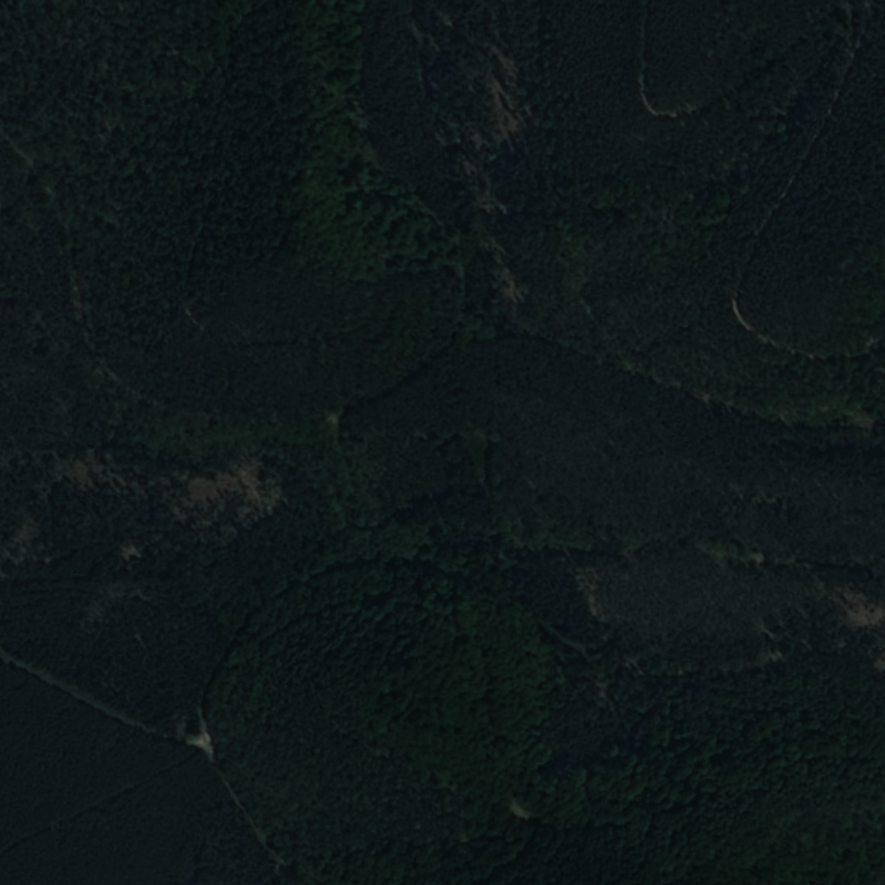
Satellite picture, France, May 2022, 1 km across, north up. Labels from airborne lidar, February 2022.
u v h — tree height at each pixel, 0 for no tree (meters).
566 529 27
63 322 26
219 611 18
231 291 17
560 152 25
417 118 34
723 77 23
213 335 20
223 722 28
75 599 20
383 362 21
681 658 29
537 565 23
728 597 25
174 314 21
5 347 22
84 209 32
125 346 24
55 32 32
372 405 28
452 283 33
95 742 14
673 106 14
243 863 25
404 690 19
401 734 22
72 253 30
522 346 33
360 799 28
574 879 28
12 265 25
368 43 26
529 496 27
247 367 27
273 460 26
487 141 31
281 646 23
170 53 29
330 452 18
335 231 32
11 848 15
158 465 33
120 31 31
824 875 32
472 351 26
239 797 15
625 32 17
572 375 28
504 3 27
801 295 13
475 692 29
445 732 22
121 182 6
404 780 27
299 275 15
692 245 28
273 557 25
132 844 18
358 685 24
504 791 22
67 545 12
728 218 29
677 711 29
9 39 23
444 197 26
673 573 24
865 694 30
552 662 6
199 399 30
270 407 28
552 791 39
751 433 31
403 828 29
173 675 25
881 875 33
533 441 26
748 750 31
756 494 22
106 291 29
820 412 30
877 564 27
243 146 26
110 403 23
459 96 30
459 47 29
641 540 22
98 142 20
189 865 19
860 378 21
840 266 24
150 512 32
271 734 27
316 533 21
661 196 28
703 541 22
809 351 15
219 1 25
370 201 35
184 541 22
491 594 27
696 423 27
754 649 28
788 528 27
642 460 27
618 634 27
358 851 33
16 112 11
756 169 27
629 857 30
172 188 30
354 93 36
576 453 27
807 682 30
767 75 29
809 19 24
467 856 28
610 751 32
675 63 15
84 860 17
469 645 29
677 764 37
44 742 15
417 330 25
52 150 30
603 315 22
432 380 24
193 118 31
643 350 22
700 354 24
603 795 37
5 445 28
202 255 15
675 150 27
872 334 25
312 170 31
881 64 24
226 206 28
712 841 25
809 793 26
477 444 0
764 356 22
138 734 18
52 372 29
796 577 27
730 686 34
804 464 26
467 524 29
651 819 36
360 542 26
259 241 22
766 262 22
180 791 18
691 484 24
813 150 11
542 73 28
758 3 24
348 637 33
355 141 14
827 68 26
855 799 11
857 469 27
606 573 25
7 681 15
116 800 17
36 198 32
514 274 28
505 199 33
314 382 27
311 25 24
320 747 25
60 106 31
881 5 23
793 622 29
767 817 18
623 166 23
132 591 22
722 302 21
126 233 24
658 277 25
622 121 14
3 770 18
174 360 25
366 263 29
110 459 27
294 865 28
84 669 19
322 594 29
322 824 28
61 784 19
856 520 26
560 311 30
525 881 31
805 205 25
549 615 26
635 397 26
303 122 24
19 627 21
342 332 19
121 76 28
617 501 26
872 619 28
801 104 8
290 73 24
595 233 30
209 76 33
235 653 26
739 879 32
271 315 24
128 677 21
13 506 29
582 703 10
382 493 17
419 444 11
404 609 35
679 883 26
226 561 26
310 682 21
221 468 27
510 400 26
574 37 26
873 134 25
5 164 30
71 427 31
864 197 21
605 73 17
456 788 24
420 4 34
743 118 27
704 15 15
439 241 29
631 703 39
